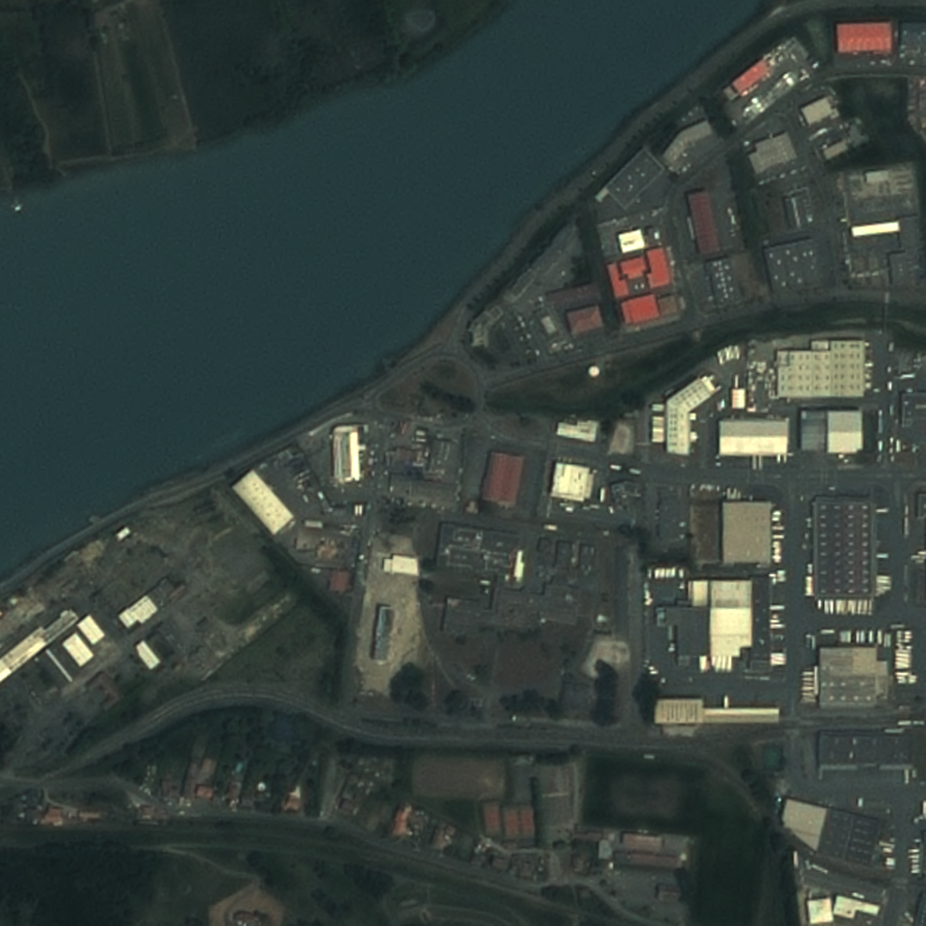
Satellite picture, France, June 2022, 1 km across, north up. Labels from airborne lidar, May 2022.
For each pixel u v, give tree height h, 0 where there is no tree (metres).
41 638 0
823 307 0
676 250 0
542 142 0
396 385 0
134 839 0
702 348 0
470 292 0
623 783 0
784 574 0
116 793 0
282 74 10
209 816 0
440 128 0
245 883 0
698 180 0
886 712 0
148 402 0
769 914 0
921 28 0
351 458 0
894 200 0
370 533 0
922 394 0
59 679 0
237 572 0
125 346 0
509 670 0
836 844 0
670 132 7
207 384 0
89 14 13
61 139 0
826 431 0
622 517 0
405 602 0
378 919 0
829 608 0
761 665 0
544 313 0
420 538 0
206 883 0
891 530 0
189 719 7
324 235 0
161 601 0
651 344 0
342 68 0
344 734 0
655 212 0
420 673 18
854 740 0
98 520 0
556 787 0
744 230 6
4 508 0
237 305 0
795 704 0
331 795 0
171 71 0
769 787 0
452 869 0
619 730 0
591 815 0
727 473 0
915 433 0
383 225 0
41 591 0
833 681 0
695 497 0
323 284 0
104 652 0
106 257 0
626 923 0
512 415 0
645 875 0
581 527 0
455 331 0
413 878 0
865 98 0
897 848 0
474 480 0
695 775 0
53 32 6
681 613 0
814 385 0
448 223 0
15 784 0
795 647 0
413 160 0
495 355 0
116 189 0
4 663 0
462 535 0
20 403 0
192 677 0
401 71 11
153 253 0
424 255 0
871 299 0
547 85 0
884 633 0
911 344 0
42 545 0
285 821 0
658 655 0
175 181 0
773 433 0
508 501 0
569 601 0
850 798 0
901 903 0
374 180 0
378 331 0
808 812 0
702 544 0
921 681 0
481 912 0
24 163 6
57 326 0
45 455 0
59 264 0
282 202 0
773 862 0
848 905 0
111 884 7
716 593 0
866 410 0
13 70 15
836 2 0
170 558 0
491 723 0
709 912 0
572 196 0
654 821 0
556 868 0
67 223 0
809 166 0
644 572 11
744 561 0
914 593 0
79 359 0
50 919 10
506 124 0
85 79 0
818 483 0
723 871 0
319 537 0
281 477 0
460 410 11
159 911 0
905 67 0
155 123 0
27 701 0
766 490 0
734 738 0
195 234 0
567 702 0
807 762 0
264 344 0
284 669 0
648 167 0
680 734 0
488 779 0
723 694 0
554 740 0
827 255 0
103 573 0
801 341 0
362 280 0
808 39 0
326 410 0
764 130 0
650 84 0
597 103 0
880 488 0
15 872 6
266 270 0
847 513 0
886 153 0
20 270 0
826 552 0
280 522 0
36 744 0
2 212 0
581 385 0
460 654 0
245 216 0
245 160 0
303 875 0
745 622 0
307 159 0
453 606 0
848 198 0
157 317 0
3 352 0
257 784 0
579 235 8
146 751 16
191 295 0
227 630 0
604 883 7
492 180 0
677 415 0
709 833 0
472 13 0
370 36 7
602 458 0
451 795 0
